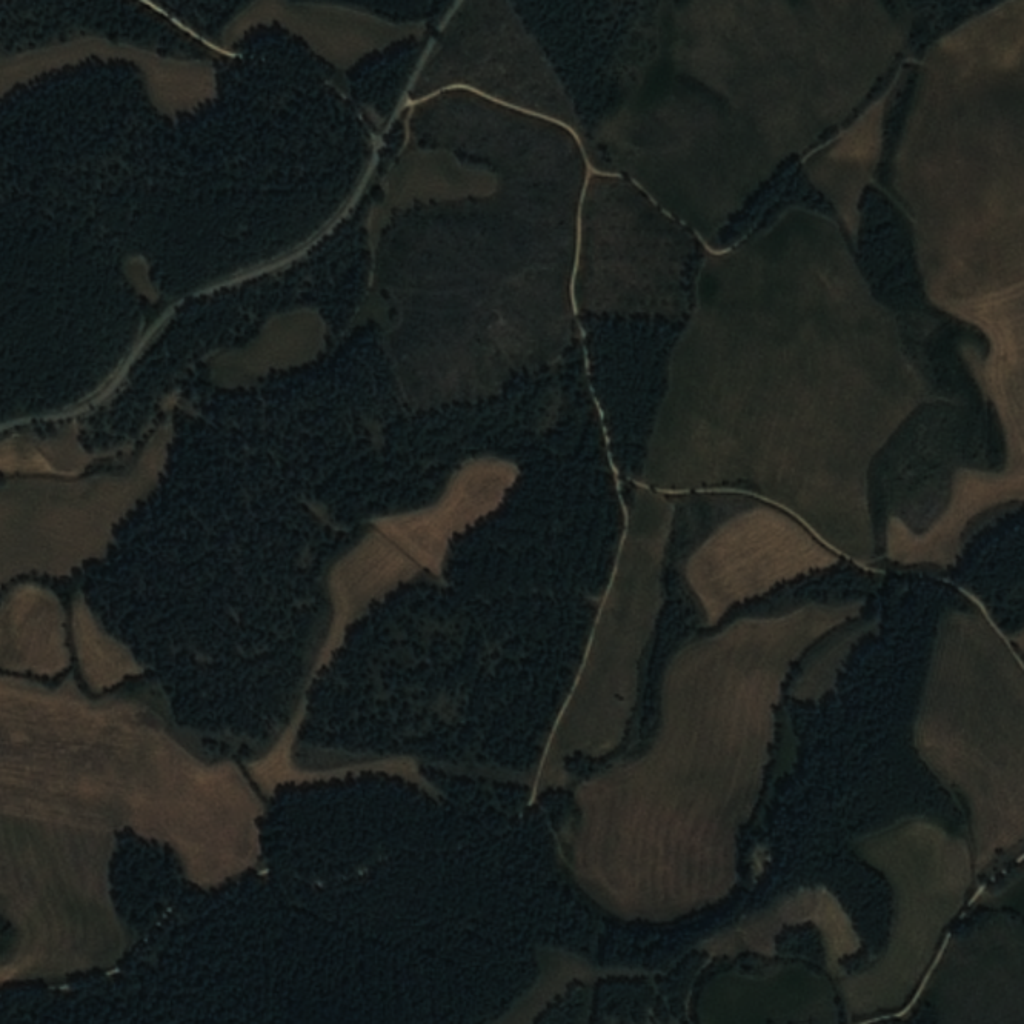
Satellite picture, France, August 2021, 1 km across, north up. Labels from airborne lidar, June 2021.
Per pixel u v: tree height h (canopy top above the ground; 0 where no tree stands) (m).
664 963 12
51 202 16
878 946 13
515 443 7
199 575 18
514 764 11
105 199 11
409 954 16
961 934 11
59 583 13
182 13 16
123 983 14
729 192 0
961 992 0
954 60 0
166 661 15
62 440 0
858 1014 0
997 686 0
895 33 0
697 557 0
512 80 0
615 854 0
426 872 14
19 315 15
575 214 0
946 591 12
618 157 0
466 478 0
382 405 17
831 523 0
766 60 0
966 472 0
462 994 16
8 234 16
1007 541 17
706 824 0
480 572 14
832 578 12
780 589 13
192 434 13
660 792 0
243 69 17
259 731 16
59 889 0
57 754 0
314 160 14
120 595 14
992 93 0
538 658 14
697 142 0
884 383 0
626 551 0
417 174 0
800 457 0
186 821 0
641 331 13
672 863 0
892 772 15
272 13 0
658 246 0
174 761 0
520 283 0
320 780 0
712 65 0
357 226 12
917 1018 7
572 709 0
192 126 23
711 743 0
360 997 18
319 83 16
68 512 0
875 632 0
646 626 0
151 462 0
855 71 0
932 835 0
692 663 0
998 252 0
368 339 15
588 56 7
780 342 0
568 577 14
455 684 14
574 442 6
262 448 16
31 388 14
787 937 14
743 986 0
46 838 0
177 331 15
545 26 10
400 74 12
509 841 13
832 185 0
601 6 8
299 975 21
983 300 0
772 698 0
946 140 0
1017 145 0
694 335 0
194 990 8
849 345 0
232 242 12
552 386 10
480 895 15
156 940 12
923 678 15
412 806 15
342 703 15
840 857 14
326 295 17
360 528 11
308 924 15
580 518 12
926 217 0
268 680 13
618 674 0
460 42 0
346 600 0
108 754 0
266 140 13
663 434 0
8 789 0
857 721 15
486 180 0
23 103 19
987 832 0
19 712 0
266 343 0
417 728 11
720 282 0
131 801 0
